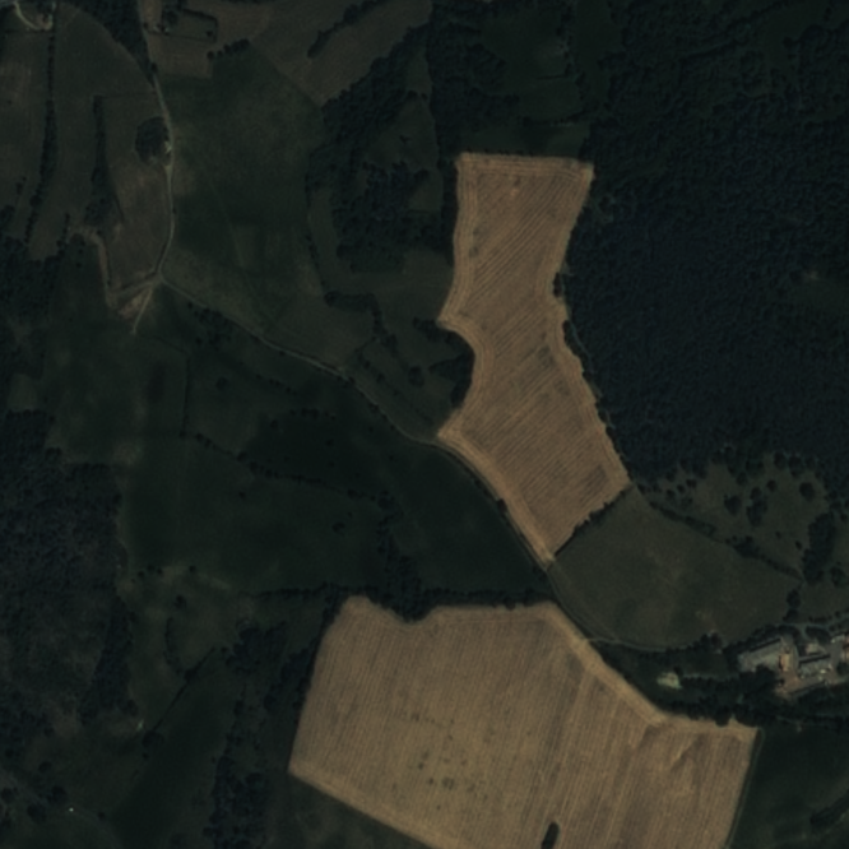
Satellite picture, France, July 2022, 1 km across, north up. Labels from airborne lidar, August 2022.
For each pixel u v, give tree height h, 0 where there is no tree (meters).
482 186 0
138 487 0
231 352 0
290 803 0
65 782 0
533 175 0
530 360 0
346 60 0
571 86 0
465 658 0
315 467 0
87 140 0
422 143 0
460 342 6
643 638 0
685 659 0
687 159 19
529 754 0
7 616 8
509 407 0
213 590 0
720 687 18
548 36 0
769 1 0
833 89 9
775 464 9
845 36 16
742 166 17
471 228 0
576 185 0
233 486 0
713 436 20
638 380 18
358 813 0
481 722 0
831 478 18
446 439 0
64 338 0
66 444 0
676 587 0
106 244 0
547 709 0
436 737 0
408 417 0
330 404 0
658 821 0
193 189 0
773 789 0
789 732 0
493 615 0
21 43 0
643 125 17
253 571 0
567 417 0
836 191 19
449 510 0
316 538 0
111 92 0
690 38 6
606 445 0
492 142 0
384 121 12
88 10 6
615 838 0
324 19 0
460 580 0
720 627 0
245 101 0
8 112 0
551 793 0
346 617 0
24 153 0
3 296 10
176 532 0
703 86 15
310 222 0
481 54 22
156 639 0
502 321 0
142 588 0
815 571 9
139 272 0
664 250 20
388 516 9
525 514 0
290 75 0
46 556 7
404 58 12
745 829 0
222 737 0
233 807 10
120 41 7
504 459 0
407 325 0
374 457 0
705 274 19
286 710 0
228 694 0
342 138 11
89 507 14
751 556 8
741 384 23
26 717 13
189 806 0
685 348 21
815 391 21
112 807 0
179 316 0
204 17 9
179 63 0
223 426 0
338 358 0
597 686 0
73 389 0
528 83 0
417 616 11
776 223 12
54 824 0
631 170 8
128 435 0
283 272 0
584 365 12
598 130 18
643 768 0
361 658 0
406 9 0
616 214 15
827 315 7
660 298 20
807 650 0
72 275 0
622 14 19
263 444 0
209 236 0
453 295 0
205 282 0
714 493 0
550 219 0
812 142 19
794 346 20
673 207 18
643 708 0
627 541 0
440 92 18
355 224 10
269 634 13
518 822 0
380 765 0
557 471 0
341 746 0
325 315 0
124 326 0
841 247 17
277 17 0
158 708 0
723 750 0
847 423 22
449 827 0
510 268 0
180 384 0
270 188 0
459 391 11
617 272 20
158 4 0
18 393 0
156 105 0
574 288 12
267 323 0
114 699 12
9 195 0
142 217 0
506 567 0
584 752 0
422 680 0
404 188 17
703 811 0
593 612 0
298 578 0
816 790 0
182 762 0
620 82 12
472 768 0
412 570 10
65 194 0
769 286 9
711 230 21
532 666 0
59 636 0
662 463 18
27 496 7
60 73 0
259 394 0
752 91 12
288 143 0
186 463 0
